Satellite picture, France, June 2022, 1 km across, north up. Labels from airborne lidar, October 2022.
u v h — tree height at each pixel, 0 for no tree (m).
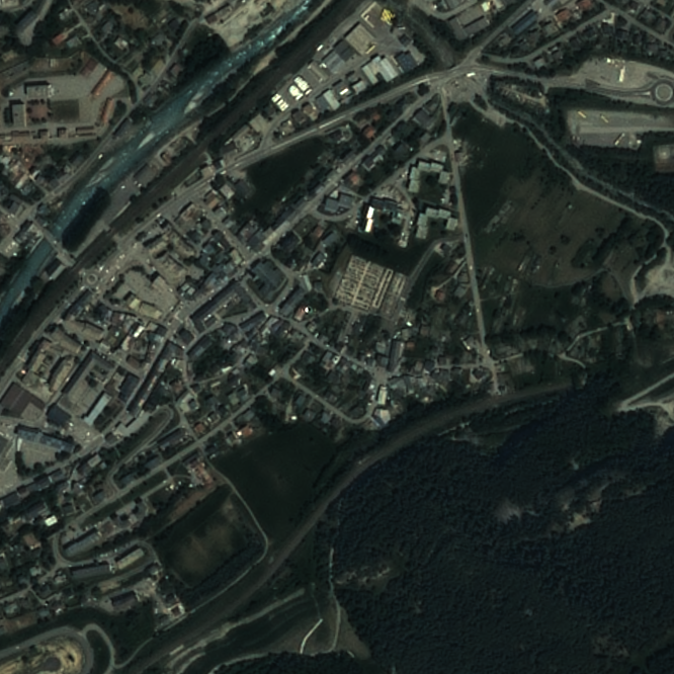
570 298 0
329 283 0
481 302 0
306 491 0
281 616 0
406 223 0
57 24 8
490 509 21
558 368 0
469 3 0
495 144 0
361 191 8
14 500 0
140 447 0
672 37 0
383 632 18
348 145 6
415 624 16
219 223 0
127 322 0
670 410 0
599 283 16
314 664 18
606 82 0
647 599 19
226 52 21
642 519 16
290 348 6
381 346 0
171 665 0
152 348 0
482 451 9
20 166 0
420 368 0
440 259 0
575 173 7
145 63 9
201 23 0
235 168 0
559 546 15
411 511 16
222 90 17
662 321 0
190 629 0
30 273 0
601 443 16
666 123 0
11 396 0
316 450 0
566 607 11
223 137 8
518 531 12
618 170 12
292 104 0
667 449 9
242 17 0
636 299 0
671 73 0
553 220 0
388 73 0
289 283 0
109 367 0
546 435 14
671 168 0
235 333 0
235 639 0
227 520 0
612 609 21
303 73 0
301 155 0
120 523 0
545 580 10
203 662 0
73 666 0
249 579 0
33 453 0
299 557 0
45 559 16
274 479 0
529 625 14
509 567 19
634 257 0
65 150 7
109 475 0
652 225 6
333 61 0
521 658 17
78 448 9
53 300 0
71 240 27
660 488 13
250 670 11
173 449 7
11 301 0
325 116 5
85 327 0
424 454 0
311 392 0
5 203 8
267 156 0
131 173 0
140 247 0
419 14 0
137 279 0
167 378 6
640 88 0
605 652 9
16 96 0
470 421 7
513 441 11
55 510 11
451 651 17
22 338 0
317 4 9
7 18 11
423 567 10
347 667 15
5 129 0
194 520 0
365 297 0
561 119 8
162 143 0
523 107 8
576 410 14
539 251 0
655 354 0
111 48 10
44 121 8
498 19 6
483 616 16
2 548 10
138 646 0
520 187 0
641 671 15
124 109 11
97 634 0
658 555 8
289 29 14
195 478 0
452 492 20
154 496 0
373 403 0
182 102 0
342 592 8
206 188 0
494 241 0
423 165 0
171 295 0
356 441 11
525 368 0
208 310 0
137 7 10
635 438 10
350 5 0
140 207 0
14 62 0
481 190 0
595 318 6
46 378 0
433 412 13
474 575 6
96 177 0
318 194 0
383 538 12
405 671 9
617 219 0
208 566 0
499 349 0
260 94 0
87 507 0
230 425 0
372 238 0
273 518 0
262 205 0
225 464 0
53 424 9
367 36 0
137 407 0
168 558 0
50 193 0
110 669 0
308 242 7
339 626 0
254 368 12
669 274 0
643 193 10
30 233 0
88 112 0
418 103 0
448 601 15
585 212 0
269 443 0
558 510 9
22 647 0
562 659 12
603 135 0
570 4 0
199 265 10
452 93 0
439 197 0
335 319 0
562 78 0
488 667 14
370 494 14
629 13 0
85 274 0
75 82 0
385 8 0
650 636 17
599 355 6
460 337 0
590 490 7
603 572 23
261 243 0
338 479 11
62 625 0
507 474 18
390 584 8
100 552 9
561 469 17
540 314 0
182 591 8
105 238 0
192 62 21
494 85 11
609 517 16
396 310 0
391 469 19
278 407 0
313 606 0
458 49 6
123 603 0
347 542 10
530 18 0
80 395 0
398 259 0
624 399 0
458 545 6
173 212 0
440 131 6
